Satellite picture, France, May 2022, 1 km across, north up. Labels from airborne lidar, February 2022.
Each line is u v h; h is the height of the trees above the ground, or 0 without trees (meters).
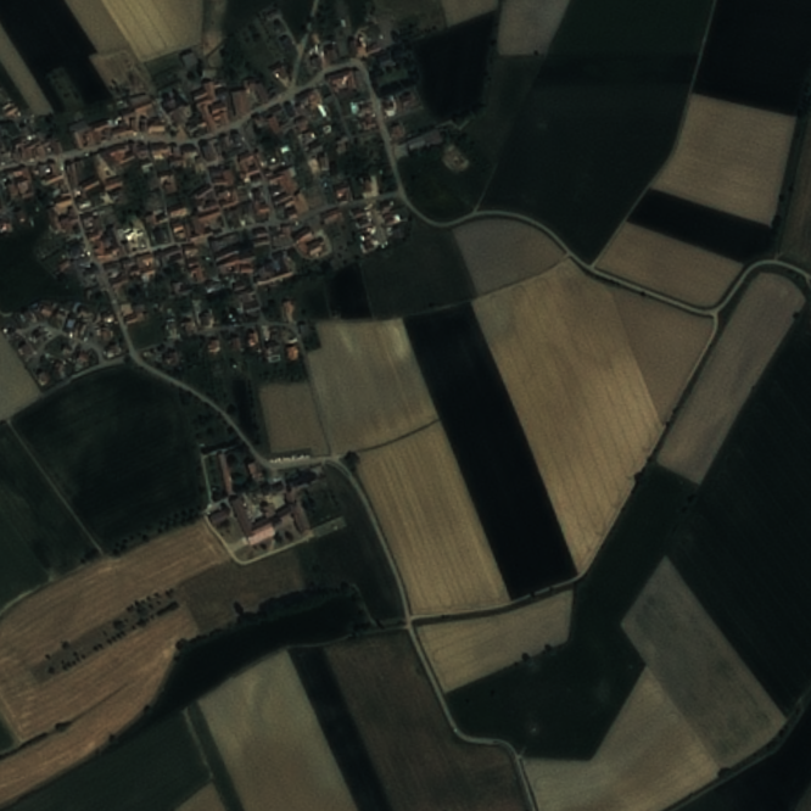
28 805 0
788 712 0
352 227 0
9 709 0
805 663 0
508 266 0
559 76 0
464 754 0
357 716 0
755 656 0
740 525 0
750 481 0
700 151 0
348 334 0
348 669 0
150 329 0
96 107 0
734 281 0
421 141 0
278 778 0
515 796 0
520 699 0
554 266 0
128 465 0
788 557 0
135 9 0
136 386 0
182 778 0
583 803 0
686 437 0
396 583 0
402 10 0
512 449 0
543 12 0
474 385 0
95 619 0
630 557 0
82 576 0
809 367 0
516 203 0
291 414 0
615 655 0
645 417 0
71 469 0
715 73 0
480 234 0
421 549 0
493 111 0
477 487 0
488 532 0
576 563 0
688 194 0
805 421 0
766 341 0
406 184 0
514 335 0
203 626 0
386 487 0
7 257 0
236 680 0
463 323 0
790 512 0
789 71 0
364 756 0
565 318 0
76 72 0
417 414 0
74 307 0
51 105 0
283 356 0
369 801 0
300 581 0
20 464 0
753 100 0
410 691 0
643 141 0
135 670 0
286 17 0
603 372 0
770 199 0
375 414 0
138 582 0
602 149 0
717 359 0
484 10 0
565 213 0
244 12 0
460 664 0
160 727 0
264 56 0
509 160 0
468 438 0
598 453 0
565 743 0
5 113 0
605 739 0
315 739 0
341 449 0
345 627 0
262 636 0
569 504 0
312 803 0
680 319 0
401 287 0
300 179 0
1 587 0
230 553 0
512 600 0
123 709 0
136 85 0
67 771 0
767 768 0
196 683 0
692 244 0
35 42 0
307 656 0
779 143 0
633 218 0
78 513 0
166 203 0
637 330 0
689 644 0
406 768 0
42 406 0
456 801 0
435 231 0
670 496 0
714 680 0
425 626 0
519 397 0
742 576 0
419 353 0
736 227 0
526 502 0
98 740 0
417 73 11
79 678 0
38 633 0
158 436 0
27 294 0
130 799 0
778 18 0
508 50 0
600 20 0
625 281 0
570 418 0
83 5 0
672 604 0
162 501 0
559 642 0
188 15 0
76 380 0
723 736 0
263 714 0
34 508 0
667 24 0
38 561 0
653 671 0
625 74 0
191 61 0
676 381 0
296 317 0
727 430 0
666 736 0
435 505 0
